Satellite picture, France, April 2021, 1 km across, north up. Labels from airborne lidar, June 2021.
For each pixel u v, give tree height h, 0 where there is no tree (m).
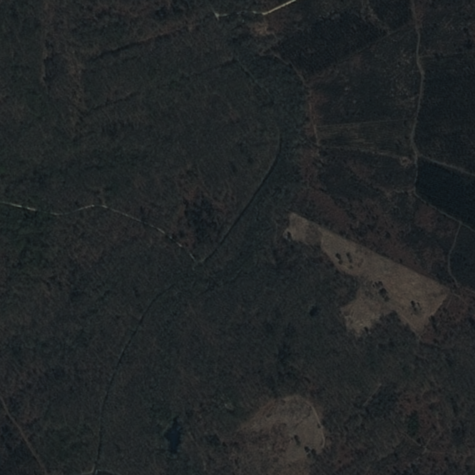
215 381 21
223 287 17
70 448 11
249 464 0
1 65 16
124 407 17
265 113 21
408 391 13
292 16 6
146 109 16
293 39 8
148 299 17
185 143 20
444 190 13
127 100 11
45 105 19
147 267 19
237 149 18
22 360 16
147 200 11
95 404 16
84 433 13
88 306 26
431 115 9
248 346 15
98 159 14
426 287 0
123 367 18
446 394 15
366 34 10
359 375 16
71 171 21
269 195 20
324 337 22
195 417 10
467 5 8
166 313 21
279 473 0
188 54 19
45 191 19
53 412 18
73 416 17
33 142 16
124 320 14
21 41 17
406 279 0
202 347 13
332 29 9
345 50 8
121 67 19
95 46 15
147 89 18
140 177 17
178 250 14
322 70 11
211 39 20
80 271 19
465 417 8
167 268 20
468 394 20
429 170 11
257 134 24
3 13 19
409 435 7
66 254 18
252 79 16
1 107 13
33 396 9
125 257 18
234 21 20
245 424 13
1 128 14
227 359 15
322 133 0
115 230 16
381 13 8
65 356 22
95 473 0
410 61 0
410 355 15
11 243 18
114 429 16
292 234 0
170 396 19
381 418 19
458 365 20
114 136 20
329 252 0
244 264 20
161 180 10
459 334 9
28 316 15
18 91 16
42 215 17
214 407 17
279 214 14
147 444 18
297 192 9
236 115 8
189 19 17
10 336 17
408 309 0
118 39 12
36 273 23
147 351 17
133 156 15
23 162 16
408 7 9
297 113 23
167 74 18
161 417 22
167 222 15
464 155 11
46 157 16
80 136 13
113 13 17
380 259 0
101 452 14
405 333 13
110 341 13
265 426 0
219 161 17
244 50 16
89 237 9
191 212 14
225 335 15
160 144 20
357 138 0
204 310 18
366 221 7
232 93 19
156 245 16
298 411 0
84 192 16
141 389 19
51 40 14
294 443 0
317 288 14
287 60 11
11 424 8
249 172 17
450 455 8
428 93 8
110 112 14
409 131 20
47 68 15
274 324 14
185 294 20
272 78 20
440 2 9
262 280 19
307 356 15
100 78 17
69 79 18
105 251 11
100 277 24
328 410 14
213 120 19
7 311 18
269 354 20
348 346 19
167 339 19
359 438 18
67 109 18
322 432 0
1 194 17
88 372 13
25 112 13
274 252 11
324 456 11
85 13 17
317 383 15
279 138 17
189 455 16
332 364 22
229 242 15
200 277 22
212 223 8
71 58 17
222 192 19
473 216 15
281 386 16
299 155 14
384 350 13
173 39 16
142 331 14
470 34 16
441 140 9
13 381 9
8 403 9
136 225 13
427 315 0
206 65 15
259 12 8
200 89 16
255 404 19
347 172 8
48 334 19
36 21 19
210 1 14
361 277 0
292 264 6
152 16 9
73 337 18
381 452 16
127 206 14
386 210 0
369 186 7
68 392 9
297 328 18
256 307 13
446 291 0
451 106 9
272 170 10
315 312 15
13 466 11
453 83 10
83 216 17
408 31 6
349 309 0
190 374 15
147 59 19
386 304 0
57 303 14
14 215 14
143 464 18
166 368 16
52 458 14
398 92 0
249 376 17
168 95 22
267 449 0
